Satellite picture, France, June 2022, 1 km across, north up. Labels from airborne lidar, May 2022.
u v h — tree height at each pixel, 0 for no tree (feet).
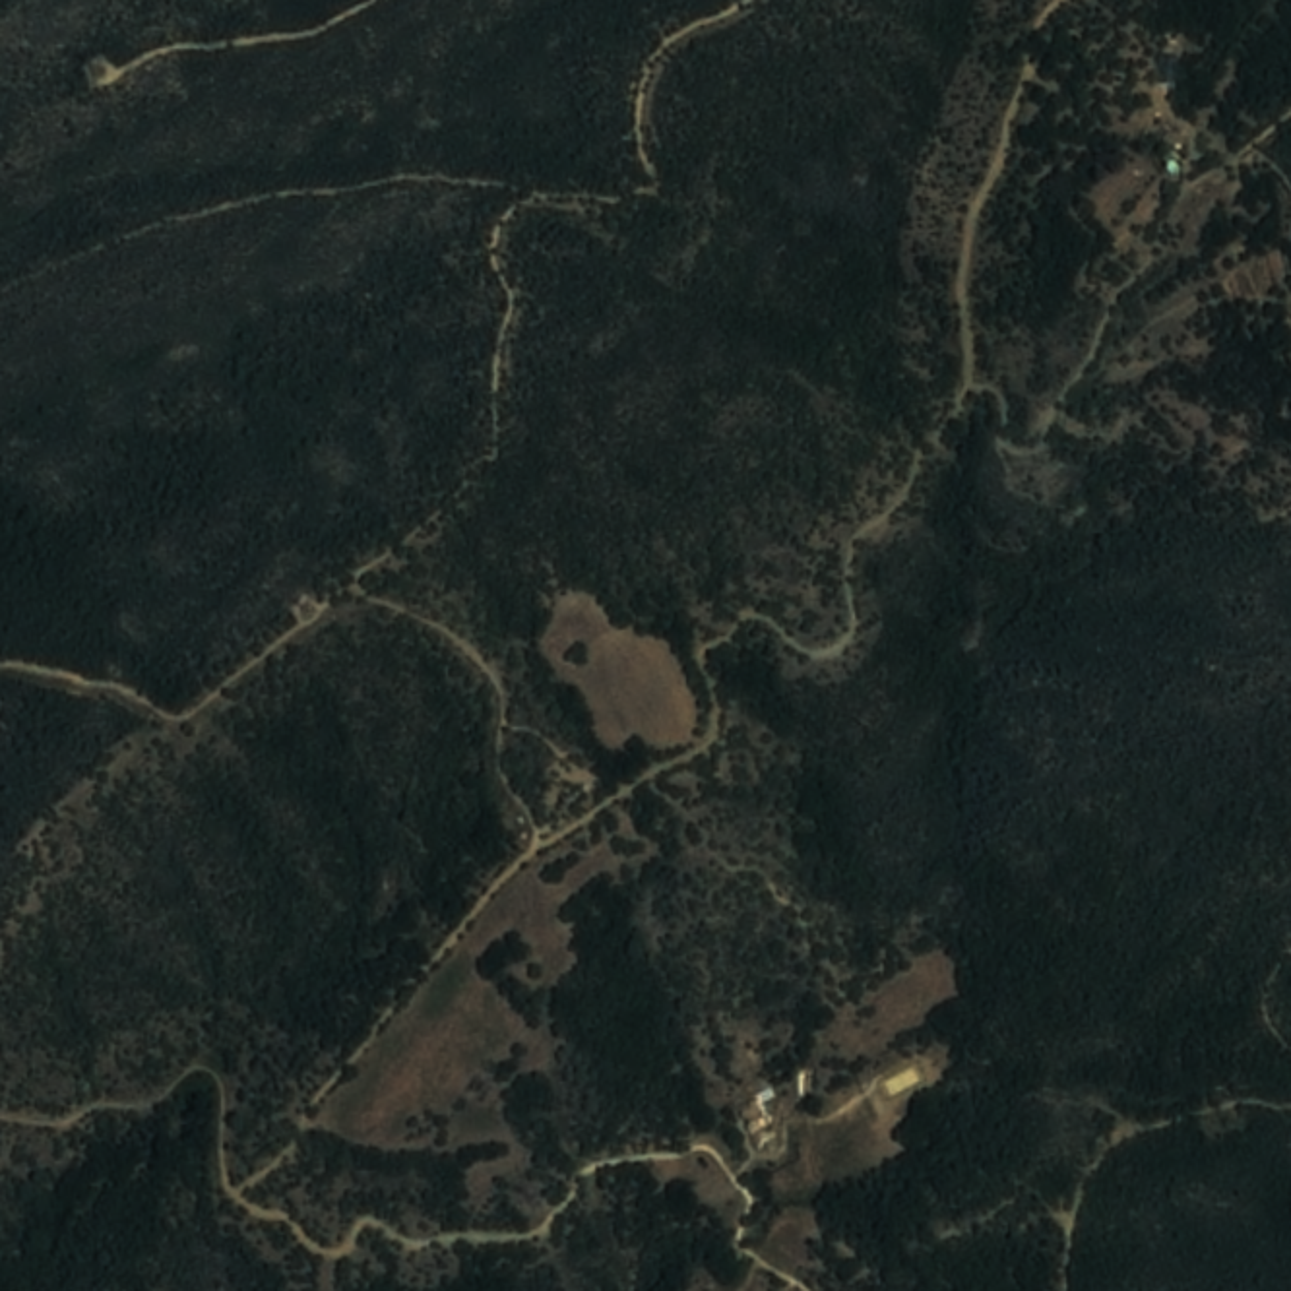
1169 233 20
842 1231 58
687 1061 26
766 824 23
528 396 25
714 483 29
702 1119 52
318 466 0
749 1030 0
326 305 22
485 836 45
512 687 30
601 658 0
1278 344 41
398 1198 24
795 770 27
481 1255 37
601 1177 33
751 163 22
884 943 23
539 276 21
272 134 0
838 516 22
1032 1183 20
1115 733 29
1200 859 22
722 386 26
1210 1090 23
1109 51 28
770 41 28
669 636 37
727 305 19
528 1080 31
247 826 31
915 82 21
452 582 24
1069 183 62
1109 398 25
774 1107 0
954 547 24
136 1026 22
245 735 26
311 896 25
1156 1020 19
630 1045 41
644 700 0
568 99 19
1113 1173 21
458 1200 21
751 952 19
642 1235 29
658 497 24
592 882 22
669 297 18
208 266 22
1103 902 26
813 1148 0
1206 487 25
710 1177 0
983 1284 46
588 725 42
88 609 32
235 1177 26
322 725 20
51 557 18
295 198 20
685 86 22
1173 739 29
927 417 30
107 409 0
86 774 28
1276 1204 20
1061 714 19
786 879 26
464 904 31
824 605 23
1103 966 22
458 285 18
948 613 34
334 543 22
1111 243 25
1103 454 22
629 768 54
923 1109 54
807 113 21
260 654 39
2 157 24
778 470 22
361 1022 26
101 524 22
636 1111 31
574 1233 30
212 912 22
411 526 20
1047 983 20
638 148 20
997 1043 23
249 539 21
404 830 19
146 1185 50
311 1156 25
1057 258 21
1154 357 24
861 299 23
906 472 27
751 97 26
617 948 31
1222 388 24
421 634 25
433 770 31
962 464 24
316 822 22
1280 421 30
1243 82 33
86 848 19
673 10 21
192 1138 60
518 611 26
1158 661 22
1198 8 31
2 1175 23
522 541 23
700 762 28
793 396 24
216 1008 42
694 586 20
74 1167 20
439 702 26
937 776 22
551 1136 36
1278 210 27
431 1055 0
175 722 0
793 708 27
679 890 39
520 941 35
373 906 21
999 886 26
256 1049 32
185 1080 0
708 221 21
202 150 0
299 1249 23
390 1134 0
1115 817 21
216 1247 27
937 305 33
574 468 20
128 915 24
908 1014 0
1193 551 23
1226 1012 42
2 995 26
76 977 24
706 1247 48
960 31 21
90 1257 27
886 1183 36
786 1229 0
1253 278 0
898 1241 38
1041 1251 31
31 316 25
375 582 36
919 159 21
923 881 20
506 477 20
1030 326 22
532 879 0
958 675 19
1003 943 31
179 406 24
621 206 22
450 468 23
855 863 20
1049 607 20
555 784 25
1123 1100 23
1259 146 18
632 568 22
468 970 0
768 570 24
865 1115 0
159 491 30
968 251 0
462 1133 0
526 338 24
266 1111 34
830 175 26
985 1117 31
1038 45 49
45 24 0
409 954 48
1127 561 22
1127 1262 20
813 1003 46
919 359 24
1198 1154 21
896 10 20
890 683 24
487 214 22
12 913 27
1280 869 28
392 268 26
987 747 21
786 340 18
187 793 23
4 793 30
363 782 23
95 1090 24
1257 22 30
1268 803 18
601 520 21
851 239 26
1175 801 24
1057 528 28
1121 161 69
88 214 21
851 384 25
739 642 31
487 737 29
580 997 27
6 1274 47
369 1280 37
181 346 0
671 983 25
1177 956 20
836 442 20
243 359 20
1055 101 50
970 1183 31
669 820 27
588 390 18
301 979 30
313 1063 29
